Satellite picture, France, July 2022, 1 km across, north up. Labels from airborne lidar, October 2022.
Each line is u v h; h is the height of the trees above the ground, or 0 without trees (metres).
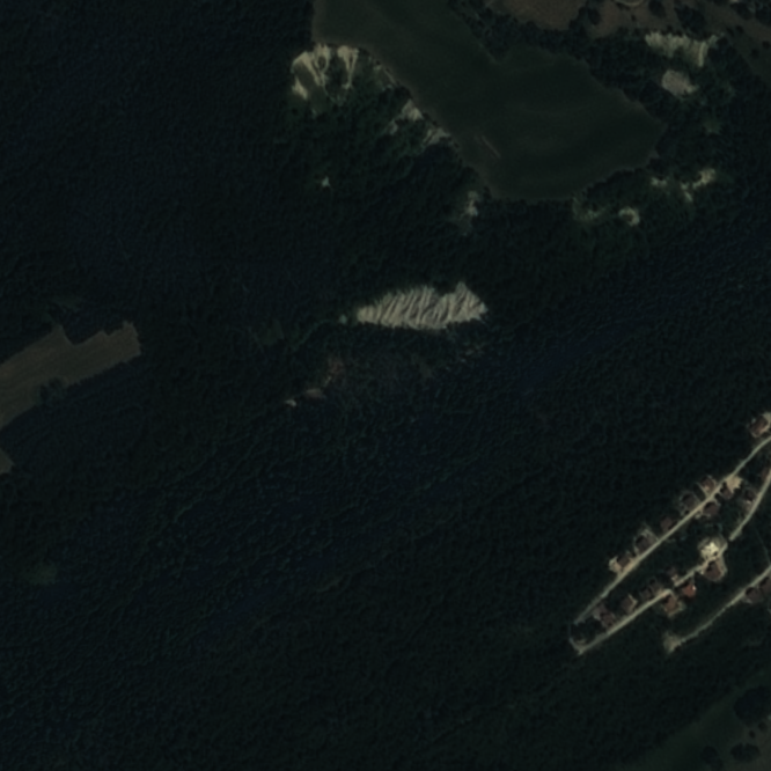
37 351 0
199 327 26
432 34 0
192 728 12
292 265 24
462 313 0
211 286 15
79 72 23
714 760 20
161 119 22
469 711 8
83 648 32
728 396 12
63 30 22
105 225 20
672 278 24
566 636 11
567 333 30
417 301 0
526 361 26
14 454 14
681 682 10
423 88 0
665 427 7
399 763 18
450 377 25
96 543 27
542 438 14
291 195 17
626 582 8
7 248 18
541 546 18
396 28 0
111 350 0
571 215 8
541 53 0
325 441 28
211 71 16
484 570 8
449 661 13
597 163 0
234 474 19
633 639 12
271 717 14
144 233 18
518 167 0
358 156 11
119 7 19
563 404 25
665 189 0
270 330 0
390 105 16
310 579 11
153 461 24
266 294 24
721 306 24
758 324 12
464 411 20
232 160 19
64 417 18
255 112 21
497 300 15
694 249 23
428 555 14
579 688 7
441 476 30
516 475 19
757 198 29
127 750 14
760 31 0
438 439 29
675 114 19
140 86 22
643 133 0
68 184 15
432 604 6
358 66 0
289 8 15
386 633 21
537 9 0
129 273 24
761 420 7
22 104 17
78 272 30
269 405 11
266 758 15
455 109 0
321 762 8
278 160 20
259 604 12
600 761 21
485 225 11
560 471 16
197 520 19
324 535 25
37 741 30
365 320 0
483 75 0
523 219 21
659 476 11
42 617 29
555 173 0
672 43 0
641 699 13
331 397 27
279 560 31
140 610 21
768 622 8
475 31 12
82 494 18
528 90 0
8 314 22
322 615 9
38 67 24
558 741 10
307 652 18
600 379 22
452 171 11
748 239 9
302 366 17
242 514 21
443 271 13
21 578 8
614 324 26
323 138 13
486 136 0
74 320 19
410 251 19
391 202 23
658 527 9
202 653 12
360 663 10
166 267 23
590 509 9
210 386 23
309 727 13
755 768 0
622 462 22
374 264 21
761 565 16
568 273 26
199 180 22
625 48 20
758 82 18
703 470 8
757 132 19
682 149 23
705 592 7
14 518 13
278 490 25
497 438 25
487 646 6
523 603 9
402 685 13
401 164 9
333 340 25
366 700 13
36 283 19
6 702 10
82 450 19
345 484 26
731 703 0
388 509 29
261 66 12
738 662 8
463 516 11
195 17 20
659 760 0
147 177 20
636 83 12
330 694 11
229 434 23
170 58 19
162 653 21
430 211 22
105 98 20
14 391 0
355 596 8
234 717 10
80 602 29
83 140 21
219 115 15
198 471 20
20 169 23
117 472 33
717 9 0
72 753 16
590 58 20
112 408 17
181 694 18
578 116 0
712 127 0
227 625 14
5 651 33
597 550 7
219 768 11
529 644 6
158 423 28
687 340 20
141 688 21
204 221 24
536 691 7
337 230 22
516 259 15
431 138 0
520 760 8
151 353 20
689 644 7
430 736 11
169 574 15
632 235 7
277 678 11
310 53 0
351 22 0
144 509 33
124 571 21
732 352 16
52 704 12
